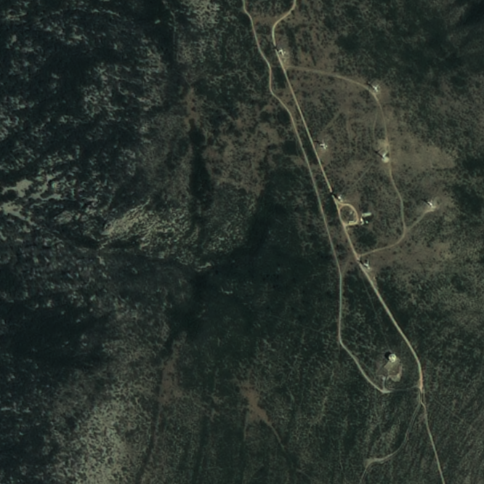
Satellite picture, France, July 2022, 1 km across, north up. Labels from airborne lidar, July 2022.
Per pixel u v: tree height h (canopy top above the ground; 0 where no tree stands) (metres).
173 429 0
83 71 6
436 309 0
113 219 0
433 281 0
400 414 0
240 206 0
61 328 7
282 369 0
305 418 0
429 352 0
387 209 0
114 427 0
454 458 0
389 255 0
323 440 0
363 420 0
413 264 0
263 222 10
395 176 0
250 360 0
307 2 0
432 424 0
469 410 0
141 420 0
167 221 0
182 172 0
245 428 0
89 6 7
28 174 6
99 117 6
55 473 0
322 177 0
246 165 0
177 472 0
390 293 0
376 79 0
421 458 0
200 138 8
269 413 0
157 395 0
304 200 0
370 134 0
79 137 7
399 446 0
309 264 0
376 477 0
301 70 0
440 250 0
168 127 0
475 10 8
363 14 0
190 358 0
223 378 0
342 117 0
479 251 0
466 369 0
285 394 0
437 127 0
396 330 0
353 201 0
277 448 0
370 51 0
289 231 0
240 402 0
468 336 0
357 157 0
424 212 0
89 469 0
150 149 0
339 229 0
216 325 0
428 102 0
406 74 0
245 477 0
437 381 0
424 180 0
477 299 0
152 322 0
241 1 0
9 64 6
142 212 0
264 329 0
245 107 0
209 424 0
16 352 6
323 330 0
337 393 0
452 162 0
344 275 0
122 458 0
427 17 0
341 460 0
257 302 0
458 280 0
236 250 7
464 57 0
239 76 0
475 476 0
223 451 0
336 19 0
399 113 0
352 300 0
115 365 0
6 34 6
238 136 0
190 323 5
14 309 7
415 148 0
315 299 0
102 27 6
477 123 0
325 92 0
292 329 0
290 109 0
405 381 0
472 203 0
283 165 0
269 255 0
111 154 6
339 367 0
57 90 7
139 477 0
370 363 0
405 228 0
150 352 0
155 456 0
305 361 0
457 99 0
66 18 6
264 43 0
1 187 8
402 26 0
